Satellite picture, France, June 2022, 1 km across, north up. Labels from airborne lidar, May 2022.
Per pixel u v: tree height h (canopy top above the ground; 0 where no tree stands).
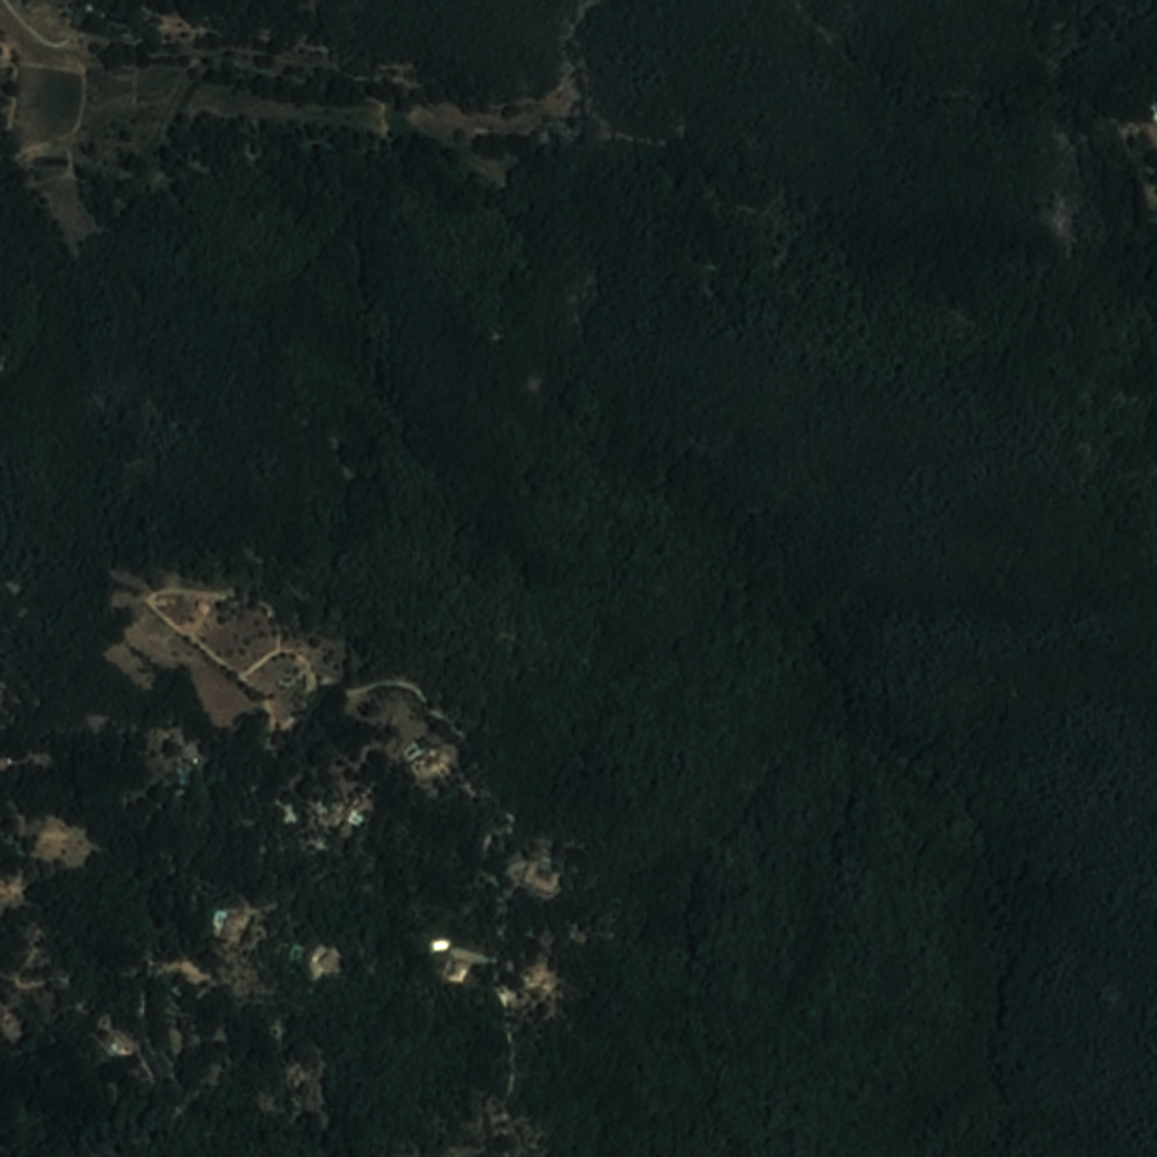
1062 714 9
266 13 12
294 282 11
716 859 20
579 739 16
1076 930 11
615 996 9
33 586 15
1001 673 11
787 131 6
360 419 16
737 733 8
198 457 7
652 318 12
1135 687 10
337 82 15
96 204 12
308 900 10
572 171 12
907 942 15
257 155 11
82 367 9
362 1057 9
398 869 8
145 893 7
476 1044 7
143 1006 13
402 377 14
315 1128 16
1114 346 9
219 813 12
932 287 21
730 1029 7
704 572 11
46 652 10
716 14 7
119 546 17
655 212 7
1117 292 13
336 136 17
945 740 13
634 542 11
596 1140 7
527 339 10
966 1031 11
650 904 10
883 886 10
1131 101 15
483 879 6
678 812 7
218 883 11
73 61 0
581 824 10
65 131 0
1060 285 16
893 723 17
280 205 10
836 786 15
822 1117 8
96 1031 14
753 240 12
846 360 8
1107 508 13
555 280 9
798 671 16
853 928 11
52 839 0
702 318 12
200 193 10
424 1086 8
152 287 8
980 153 12
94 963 13
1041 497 9
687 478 10
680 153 12
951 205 13
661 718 7
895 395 9
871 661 13
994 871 14
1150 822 7
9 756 13
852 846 15
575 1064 8
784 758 8
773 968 16
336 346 16
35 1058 15
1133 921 9
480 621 8
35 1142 10
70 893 7
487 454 12
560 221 11
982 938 18
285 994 8
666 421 9
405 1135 11
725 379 10
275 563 8
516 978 11
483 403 9
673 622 8
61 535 12
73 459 10
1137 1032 6
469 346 13
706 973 14
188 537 13
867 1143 9
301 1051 17
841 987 15
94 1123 14
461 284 8
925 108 13
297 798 11
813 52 7
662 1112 7
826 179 7
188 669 7
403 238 16
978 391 14
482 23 7
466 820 8
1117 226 17
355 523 11
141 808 12
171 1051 9
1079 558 9
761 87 6
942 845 18
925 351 7
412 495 12
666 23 7
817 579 7
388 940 8
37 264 6
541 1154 6
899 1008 7
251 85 11
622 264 8
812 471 8
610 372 12
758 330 11
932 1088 16
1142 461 19
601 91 6
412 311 8
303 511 11
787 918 9
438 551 11
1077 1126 9
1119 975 8
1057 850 7
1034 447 18
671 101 10
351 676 10
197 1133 10
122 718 9
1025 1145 13
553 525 10
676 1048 9
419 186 17
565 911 9
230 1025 7
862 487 8
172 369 13
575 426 15
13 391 10
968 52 7
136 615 10
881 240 14
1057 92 8
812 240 9
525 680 16
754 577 11
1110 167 14
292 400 10
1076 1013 10
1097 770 11
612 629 16
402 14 9
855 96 10
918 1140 9
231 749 12
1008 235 10
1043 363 13
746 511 10
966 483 10
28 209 11
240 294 10
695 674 11
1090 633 9
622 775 19
